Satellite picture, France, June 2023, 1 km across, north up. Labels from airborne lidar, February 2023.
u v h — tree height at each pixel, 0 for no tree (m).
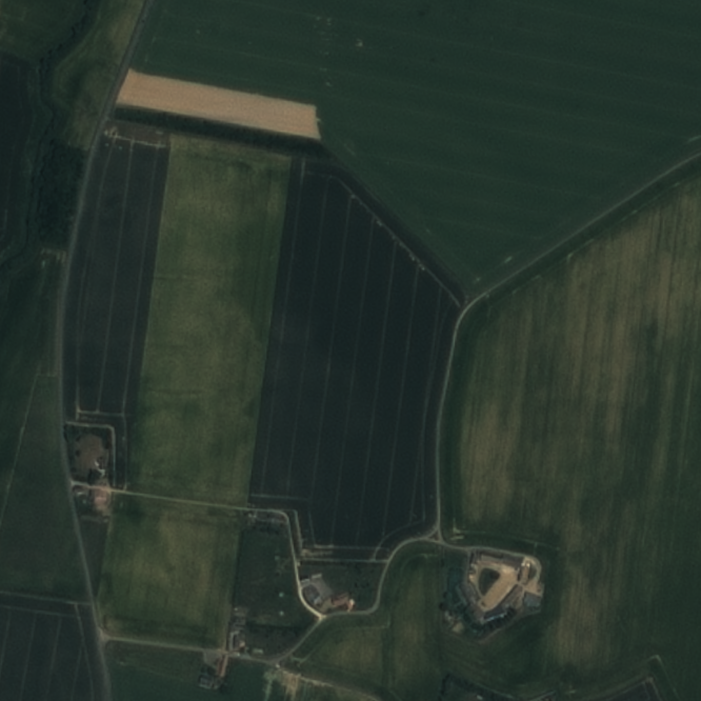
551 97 0
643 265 0
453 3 0
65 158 7
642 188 0
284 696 0
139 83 0
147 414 0
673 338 0
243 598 0
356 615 0
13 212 0
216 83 0
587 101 0
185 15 0
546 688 0
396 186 0
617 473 0
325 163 0
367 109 0
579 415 0
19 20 0
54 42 0
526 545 0
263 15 0
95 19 0
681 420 0
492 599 0
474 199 0
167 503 0
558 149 0
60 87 0
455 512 0
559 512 0
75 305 0
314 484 0
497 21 0
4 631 0
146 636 0
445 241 0
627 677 0
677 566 0
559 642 0
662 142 0
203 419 0
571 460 0
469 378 0
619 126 0
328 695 0
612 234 0
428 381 0
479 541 0
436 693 0
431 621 0
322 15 0
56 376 0
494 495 0
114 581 0
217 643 0
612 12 0
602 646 0
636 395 0
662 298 0
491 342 0
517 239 0
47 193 14
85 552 0
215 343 0
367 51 0
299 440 0
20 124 0
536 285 0
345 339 0
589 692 0
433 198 0
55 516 0
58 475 0
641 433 0
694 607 0
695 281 0
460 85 0
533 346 0
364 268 0
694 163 0
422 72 0
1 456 0
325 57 0
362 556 0
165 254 0
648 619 0
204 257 0
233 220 0
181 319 0
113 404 0
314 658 0
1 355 0
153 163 0
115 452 0
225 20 0
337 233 0
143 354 0
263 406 0
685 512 0
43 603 0
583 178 0
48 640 0
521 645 0
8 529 0
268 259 0
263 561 0
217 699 0
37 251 0
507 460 0
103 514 0
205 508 0
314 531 0
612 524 0
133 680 0
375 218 0
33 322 0
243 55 0
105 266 0
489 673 0
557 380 0
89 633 0
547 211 0
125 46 0
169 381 0
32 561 0
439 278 0
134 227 0
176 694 0
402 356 0
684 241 0
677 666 0
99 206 0
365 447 0
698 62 0
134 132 0
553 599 0
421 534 0
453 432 0
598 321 0
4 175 0
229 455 0
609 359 0
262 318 0
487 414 0
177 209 0
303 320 0
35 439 0
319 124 0
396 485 0
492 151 0
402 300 0
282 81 0
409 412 0
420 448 0
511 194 0
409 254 0
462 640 0
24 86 0
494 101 0
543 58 0
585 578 0
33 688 0
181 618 0
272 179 0
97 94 0
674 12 0
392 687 0
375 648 0
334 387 0
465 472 0
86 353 0
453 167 0
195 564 0
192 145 0
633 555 0
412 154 0
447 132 0
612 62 0
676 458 0
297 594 0
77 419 0
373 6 0
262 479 0
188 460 0
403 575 0
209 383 0
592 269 0
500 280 0
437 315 0
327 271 0
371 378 0
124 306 0
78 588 0
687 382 0
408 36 0
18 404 0
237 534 0
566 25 0
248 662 0
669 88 0
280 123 0
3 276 10
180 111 0
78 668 0
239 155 0
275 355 0
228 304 0
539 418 0
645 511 0
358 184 0
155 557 0
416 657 0
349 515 0
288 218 0
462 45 0
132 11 0
